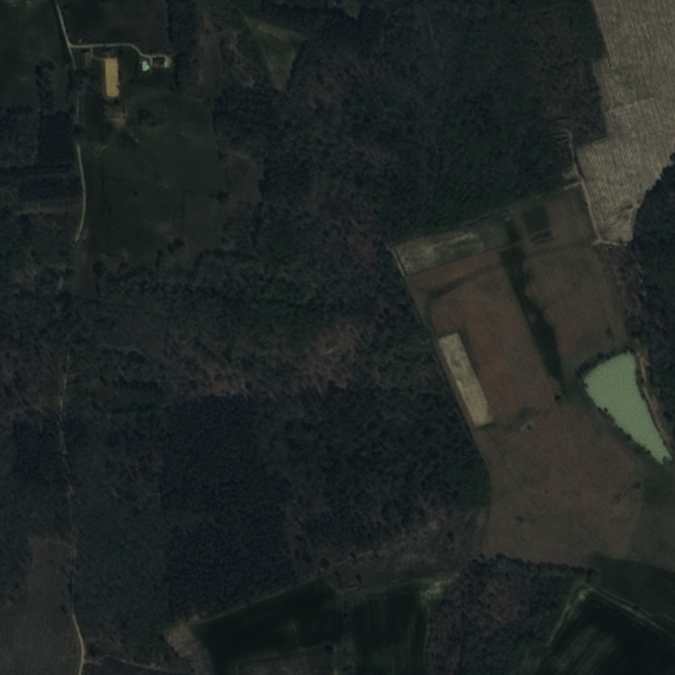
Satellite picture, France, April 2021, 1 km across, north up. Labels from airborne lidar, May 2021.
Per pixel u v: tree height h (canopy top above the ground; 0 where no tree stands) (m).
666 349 21
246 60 13
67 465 24
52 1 9
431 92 18
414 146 15
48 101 14
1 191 15
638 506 0
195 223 0
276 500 24
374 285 14
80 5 0
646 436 0
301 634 0
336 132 15
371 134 23
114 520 16
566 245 0
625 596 0
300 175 25
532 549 0
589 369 16
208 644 0
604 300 0
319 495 10
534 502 0
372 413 23
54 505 13
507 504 0
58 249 9
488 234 0
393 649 0
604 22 0
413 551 0
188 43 24
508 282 0
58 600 0
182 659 16
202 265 16
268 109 21
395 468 19
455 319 0
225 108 20
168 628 17
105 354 16
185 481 22
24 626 0
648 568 0
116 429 16
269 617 0
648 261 18
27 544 14
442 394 13
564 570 12
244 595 24
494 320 0
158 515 16
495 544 0
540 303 0
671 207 14
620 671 0
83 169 0
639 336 7
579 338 0
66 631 0
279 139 23
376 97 14
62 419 15
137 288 22
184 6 24
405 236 13
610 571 0
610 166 0
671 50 0
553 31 8
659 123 0
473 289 0
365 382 16
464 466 16
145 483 11
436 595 0
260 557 24
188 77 16
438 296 0
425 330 8
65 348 23
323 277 13
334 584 0
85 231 0
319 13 13
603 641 0
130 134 0
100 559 17
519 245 0
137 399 9
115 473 23
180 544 23
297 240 15
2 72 0
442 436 9
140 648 15
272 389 14
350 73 8
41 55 0
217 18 13
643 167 0
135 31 0
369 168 22
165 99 0
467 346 0
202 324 23
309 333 19
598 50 12
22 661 0
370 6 17
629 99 0
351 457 12
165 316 15
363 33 21
